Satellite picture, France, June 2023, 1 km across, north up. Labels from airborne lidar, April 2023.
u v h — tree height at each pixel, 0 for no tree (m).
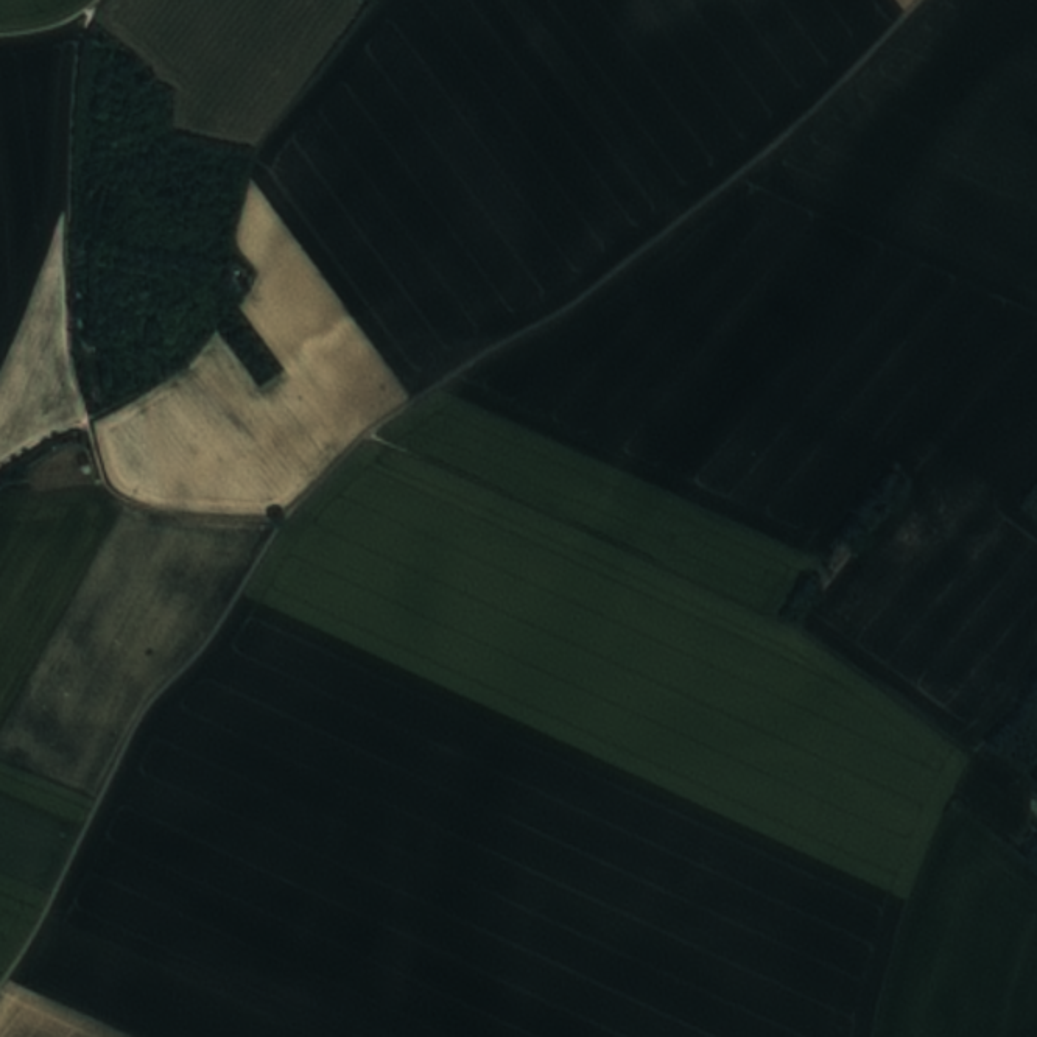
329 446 0
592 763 0
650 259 0
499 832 0
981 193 0
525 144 0
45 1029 0
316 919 0
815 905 0
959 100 0
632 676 0
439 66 0
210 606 0
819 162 0
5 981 0
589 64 0
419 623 0
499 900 0
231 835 0
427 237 0
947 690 0
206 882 0
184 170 15
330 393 0
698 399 0
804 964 0
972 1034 0
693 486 0
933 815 0
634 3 0
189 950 0
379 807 0
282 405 0
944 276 0
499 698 0
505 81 0
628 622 0
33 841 0
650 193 0
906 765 0
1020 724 18
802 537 0
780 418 0
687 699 0
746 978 0
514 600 0
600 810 0
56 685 0
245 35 0
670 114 0
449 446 0
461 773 0
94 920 0
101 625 0
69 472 0
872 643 0
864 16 0
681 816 0
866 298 0
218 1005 0
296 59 0
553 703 0
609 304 0
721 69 0
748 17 0
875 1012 0
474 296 0
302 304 0
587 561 0
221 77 0
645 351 0
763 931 0
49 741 0
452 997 0
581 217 0
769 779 0
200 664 0
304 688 0
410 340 0
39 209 0
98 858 0
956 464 0
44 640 0
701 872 0
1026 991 0
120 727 0
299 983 0
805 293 0
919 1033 0
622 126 0
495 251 0
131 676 0
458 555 0
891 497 20
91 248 16
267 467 0
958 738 0
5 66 0
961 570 0
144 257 16
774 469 0
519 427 0
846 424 0
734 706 0
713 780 0
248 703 0
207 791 0
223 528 0
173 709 0
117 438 0
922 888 0
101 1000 0
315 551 0
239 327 12
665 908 0
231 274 13
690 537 0
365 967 0
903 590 0
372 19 0
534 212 0
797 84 0
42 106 0
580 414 0
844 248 0
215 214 9
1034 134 0
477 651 0
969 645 0
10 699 0
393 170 0
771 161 0
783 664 0
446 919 0
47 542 0
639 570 0
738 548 0
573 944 0
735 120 0
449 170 0
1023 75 0
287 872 0
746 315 0
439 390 0
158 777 0
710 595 0
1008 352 0
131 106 11
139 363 9
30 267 0
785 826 0
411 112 0
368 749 0
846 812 0
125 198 11
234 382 0
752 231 0
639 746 0
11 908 0
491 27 0
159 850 0
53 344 0
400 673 0
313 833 0
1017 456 0
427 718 0
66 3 0
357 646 0
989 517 0
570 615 0
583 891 0
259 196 0
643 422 0
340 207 0
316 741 0
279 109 0
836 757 0
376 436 0
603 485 0
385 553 0
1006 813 0
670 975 0
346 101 0
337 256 0
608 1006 0
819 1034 0
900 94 0
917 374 0
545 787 0
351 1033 0
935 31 0
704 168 0
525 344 0
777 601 0
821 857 0
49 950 0
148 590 0
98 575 0
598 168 0
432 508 0
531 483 0
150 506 0
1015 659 0
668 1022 0
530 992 0
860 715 0
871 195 0
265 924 0
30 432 0
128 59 17
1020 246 0
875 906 0
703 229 0
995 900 0
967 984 0
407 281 0
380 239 0
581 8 0
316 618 0
